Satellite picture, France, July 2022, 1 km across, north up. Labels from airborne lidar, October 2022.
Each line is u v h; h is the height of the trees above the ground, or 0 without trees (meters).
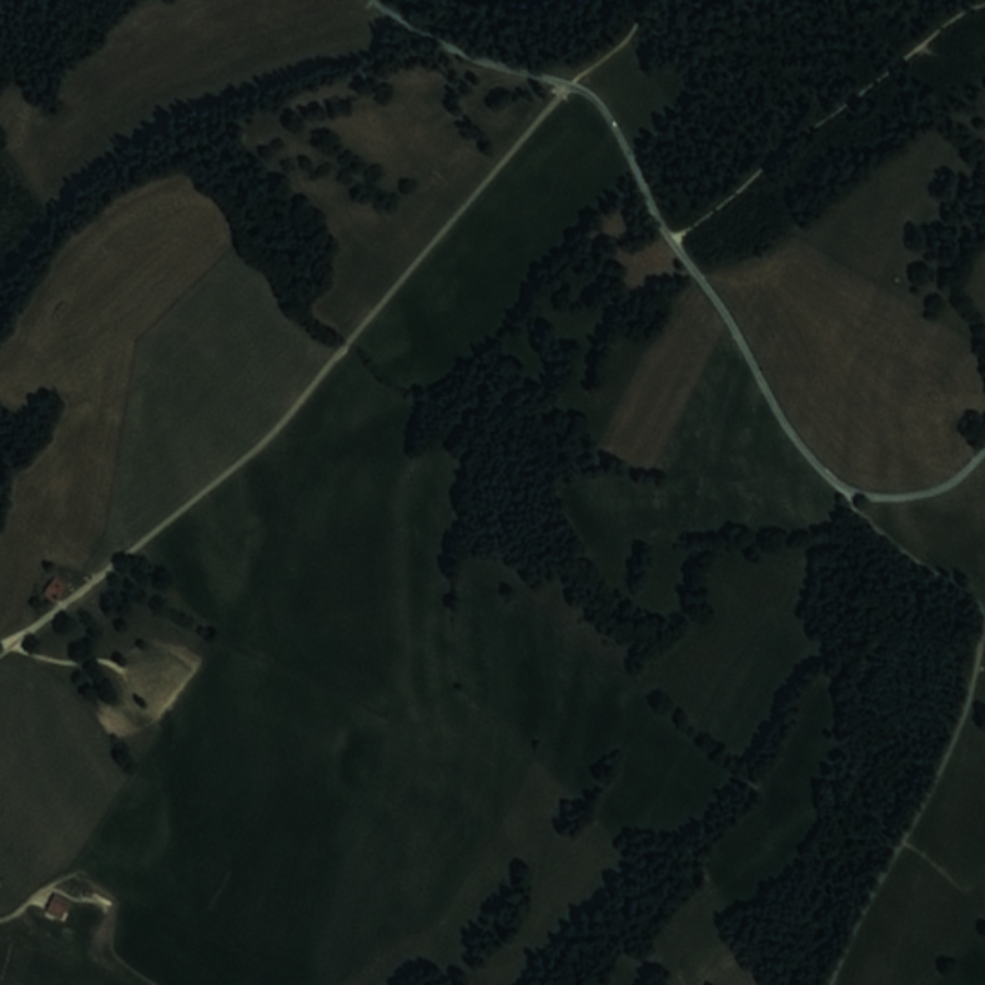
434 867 0
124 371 0
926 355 0
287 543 0
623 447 0
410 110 0
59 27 24
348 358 0
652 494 0
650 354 0
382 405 0
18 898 0
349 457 0
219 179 31
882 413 0
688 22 24
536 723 0
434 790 0
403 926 0
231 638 0
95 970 0
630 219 16
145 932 0
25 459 24
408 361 0
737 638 0
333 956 0
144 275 0
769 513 0
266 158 15
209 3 0
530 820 0
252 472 0
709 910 0
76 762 0
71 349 0
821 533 22
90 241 0
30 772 0
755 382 0
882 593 23
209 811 0
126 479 0
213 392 0
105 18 23
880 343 0
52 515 0
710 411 0
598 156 0
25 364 0
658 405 0
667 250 0
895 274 0
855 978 0
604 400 0
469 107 0
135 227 0
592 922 27
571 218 0
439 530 0
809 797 0
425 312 0
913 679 18
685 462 0
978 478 0
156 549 0
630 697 0
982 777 0
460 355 0
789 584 0
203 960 0
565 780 0
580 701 0
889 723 20
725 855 0
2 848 0
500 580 0
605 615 23
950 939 0
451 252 0
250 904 0
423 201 0
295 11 0
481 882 0
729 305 0
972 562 0
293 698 0
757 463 0
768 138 21
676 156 9
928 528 0
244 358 0
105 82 0
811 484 0
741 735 0
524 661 0
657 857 27
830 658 24
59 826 0
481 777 0
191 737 0
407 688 0
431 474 0
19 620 0
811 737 0
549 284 30
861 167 24
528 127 0
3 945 0
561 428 20
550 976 28
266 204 18
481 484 24
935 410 0
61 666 0
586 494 0
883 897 0
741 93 7
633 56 0
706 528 0
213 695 0
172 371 0
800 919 30
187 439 0
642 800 0
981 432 23
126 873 0
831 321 0
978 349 16
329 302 0
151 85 0
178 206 0
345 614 0
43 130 0
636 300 28
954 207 14
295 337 0
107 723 0
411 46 14
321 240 24
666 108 0
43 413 25
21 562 0
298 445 0
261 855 0
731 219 5
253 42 0
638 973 0
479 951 27
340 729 0
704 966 0
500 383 27
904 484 0
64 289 0
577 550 26
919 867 0
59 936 0
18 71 13
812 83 18
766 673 0
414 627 0
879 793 21
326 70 24
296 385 0
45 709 0
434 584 0
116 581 19
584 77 0
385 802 0
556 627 0
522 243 0
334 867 0
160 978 0
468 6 34
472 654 0
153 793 0
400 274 0
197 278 0
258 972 0
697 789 0
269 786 0
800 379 0
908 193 0
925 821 0
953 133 21
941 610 21
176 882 0
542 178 0
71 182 0
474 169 0
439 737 0
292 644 0
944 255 20
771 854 0
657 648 22
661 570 0
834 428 0
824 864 11
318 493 0
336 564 0
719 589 0
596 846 0
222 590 0
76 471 0
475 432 21
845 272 0
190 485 0
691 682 0
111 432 0
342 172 7
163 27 0
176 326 0
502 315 0
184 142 31
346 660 0
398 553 0
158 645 0
